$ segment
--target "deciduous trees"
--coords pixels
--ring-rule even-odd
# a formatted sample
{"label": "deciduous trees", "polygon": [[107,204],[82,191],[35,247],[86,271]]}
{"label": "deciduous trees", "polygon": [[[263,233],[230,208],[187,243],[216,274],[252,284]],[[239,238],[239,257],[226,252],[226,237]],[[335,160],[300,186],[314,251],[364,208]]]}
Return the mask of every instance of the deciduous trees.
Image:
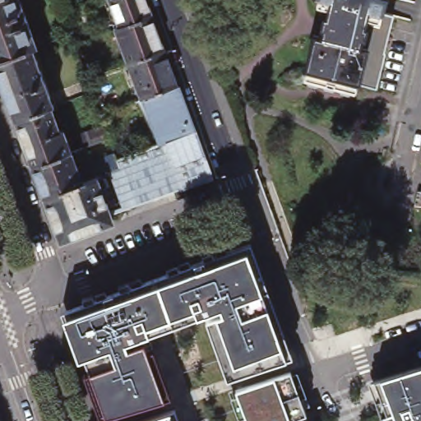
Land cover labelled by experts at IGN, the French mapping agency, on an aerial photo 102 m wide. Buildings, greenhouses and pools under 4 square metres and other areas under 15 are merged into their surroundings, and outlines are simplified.
{"label": "deciduous trees", "polygon": [[276,122],[268,130],[266,140],[285,138],[298,125],[293,120],[293,115],[281,110],[280,117],[276,117]]}
{"label": "deciduous trees", "polygon": [[377,140],[380,132],[350,133],[352,145],[362,146],[370,145]]}
{"label": "deciduous trees", "polygon": [[335,110],[332,107],[322,110],[308,107],[304,118],[311,125],[324,125],[332,120]]}
{"label": "deciduous trees", "polygon": [[44,0],[54,51],[61,59],[64,56],[79,58],[76,39],[72,38],[74,26],[79,26],[86,35],[97,41],[102,33],[109,30],[104,21],[112,16],[109,8],[105,7],[105,0]]}
{"label": "deciduous trees", "polygon": [[81,64],[77,64],[76,77],[77,82],[81,84],[81,90],[102,90],[107,82],[107,76],[100,77],[95,67],[82,69]]}
{"label": "deciduous trees", "polygon": [[245,214],[242,207],[238,206],[237,199],[224,197],[222,201],[212,202],[209,206],[191,210],[186,214],[181,212],[174,217],[176,237],[184,253],[189,257],[222,252],[250,238],[250,230],[247,225],[242,224]]}
{"label": "deciduous trees", "polygon": [[71,367],[59,367],[49,375],[36,370],[28,378],[31,398],[38,405],[41,421],[86,421],[89,419],[89,413],[79,396],[76,373],[72,372]]}
{"label": "deciduous trees", "polygon": [[26,240],[25,227],[18,217],[12,192],[8,189],[0,166],[0,275],[2,266],[8,265],[10,270],[18,273],[35,265],[36,247]]}
{"label": "deciduous trees", "polygon": [[76,109],[79,123],[84,127],[92,122],[95,105],[82,100],[81,97],[74,99],[72,105]]}
{"label": "deciduous trees", "polygon": [[204,421],[225,421],[225,419],[215,418],[214,413],[212,413],[212,409],[209,408],[209,406],[204,405],[204,401],[202,400],[194,400],[194,405],[196,405],[196,408],[199,409],[199,411],[201,411],[201,416],[202,419],[204,419]]}
{"label": "deciduous trees", "polygon": [[306,319],[314,327],[324,326],[327,314],[335,316],[340,311],[352,311],[354,304],[367,294],[390,293],[393,283],[400,283],[408,271],[421,275],[421,243],[409,245],[409,242],[390,234],[385,222],[378,220],[375,210],[363,201],[362,197],[357,197],[354,202],[314,202],[311,219],[301,227],[299,237],[296,240],[293,238],[291,252],[288,253],[286,276],[298,291],[299,306],[303,308]]}
{"label": "deciduous trees", "polygon": [[268,35],[276,38],[280,35],[283,8],[289,10],[291,15],[296,15],[296,0],[178,0],[181,10],[189,15],[183,44],[184,48],[192,56],[206,62],[209,67],[234,67],[237,59],[245,59],[255,49],[265,48]]}

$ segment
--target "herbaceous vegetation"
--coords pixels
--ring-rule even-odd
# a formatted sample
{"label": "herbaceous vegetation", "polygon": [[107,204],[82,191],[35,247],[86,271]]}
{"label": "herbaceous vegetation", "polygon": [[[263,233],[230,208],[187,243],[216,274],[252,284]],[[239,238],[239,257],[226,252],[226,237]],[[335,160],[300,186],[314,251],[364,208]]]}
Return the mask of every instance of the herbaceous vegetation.
{"label": "herbaceous vegetation", "polygon": [[275,183],[293,238],[296,240],[299,237],[301,227],[311,219],[314,202],[354,202],[357,197],[362,197],[363,201],[375,210],[378,220],[385,222],[390,234],[409,242],[408,229],[411,222],[408,215],[409,210],[413,210],[413,202],[409,201],[408,197],[411,181],[406,178],[405,169],[385,166],[380,161],[382,153],[373,151],[347,150],[340,156],[324,138],[298,125],[285,138],[266,140],[268,130],[276,122],[276,117],[280,117],[281,110],[293,115],[304,118],[308,107],[308,97],[288,99],[275,92],[271,102],[270,109],[255,112],[252,133],[266,183]]}
{"label": "herbaceous vegetation", "polygon": [[311,43],[309,35],[294,36],[275,54],[273,81],[276,82],[281,77],[280,71],[283,67],[294,61],[306,61]]}
{"label": "herbaceous vegetation", "polygon": [[335,316],[327,314],[324,326],[331,326],[334,334],[339,335],[360,327],[375,326],[378,321],[386,321],[405,312],[421,312],[421,275],[408,271],[400,283],[393,283],[390,293],[367,294],[354,304],[352,311],[340,311]]}
{"label": "herbaceous vegetation", "polygon": [[204,401],[204,405],[209,406],[209,408],[212,409],[212,413],[214,413],[215,418],[225,419],[225,421],[237,421],[237,406],[230,403],[230,400],[235,398],[235,391],[230,388],[224,393],[215,393],[202,400]]}
{"label": "herbaceous vegetation", "polygon": [[202,372],[194,370],[187,373],[191,378],[192,390],[222,380],[206,326],[196,326],[197,331],[192,339],[192,345],[199,345],[201,359],[209,360],[209,365],[204,367]]}

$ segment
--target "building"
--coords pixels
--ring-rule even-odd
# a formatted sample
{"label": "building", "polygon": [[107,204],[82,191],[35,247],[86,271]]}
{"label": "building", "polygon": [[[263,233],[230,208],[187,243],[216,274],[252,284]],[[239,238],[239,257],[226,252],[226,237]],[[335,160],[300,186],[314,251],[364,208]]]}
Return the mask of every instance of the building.
{"label": "building", "polygon": [[153,421],[171,421],[176,413],[169,411],[164,418]]}
{"label": "building", "polygon": [[308,67],[303,84],[309,87],[316,89],[321,90],[326,97],[355,97],[357,89],[363,87],[362,77],[367,66],[368,54],[360,51],[363,39],[367,35],[365,28],[370,25],[370,18],[380,18],[385,12],[382,3],[378,3],[380,0],[317,0],[317,12],[326,13],[327,18],[322,23],[322,41],[311,43],[306,61]]}
{"label": "building", "polygon": [[298,390],[289,373],[235,391],[235,398],[230,400],[230,403],[237,406],[237,421],[306,421],[303,403],[299,400]]}
{"label": "building", "polygon": [[375,383],[377,400],[373,400],[372,405],[377,409],[377,418],[380,421],[421,421],[421,372],[409,372]]}
{"label": "building", "polygon": [[90,385],[99,401],[102,421],[118,421],[163,406],[160,388],[145,350],[128,354],[128,350],[150,344],[153,340],[171,334],[178,334],[184,329],[196,326],[206,326],[222,380],[232,386],[293,363],[293,355],[283,357],[280,340],[268,309],[263,304],[270,298],[268,288],[258,286],[257,276],[253,273],[252,263],[248,258],[238,258],[225,265],[215,266],[212,270],[206,270],[201,263],[184,270],[178,270],[178,266],[174,266],[166,270],[163,276],[145,281],[136,288],[120,285],[117,293],[109,296],[105,293],[84,294],[74,308],[66,309],[66,319],[62,321],[62,335],[66,339],[76,367],[87,368],[92,375]]}
{"label": "building", "polygon": [[118,23],[115,39],[120,49],[117,53],[125,62],[127,77],[132,77],[128,89],[132,90],[136,102],[140,105],[143,115],[155,136],[156,143],[151,146],[145,155],[118,160],[117,171],[112,173],[113,189],[120,202],[120,207],[115,210],[109,209],[104,197],[97,194],[97,191],[100,191],[99,179],[89,181],[89,178],[82,178],[81,174],[77,173],[76,160],[72,155],[66,133],[59,128],[54,115],[53,100],[36,59],[38,46],[31,35],[30,21],[23,12],[20,0],[0,0],[0,99],[10,132],[21,146],[21,163],[28,169],[31,181],[41,196],[36,206],[39,207],[41,217],[53,234],[58,234],[59,245],[69,240],[79,242],[99,234],[100,229],[110,227],[113,215],[120,214],[122,210],[151,206],[155,202],[163,204],[173,201],[179,191],[186,189],[189,181],[199,178],[199,174],[210,173],[209,163],[197,138],[196,128],[192,125],[191,115],[184,104],[183,94],[179,90],[171,64],[166,61],[166,53],[171,53],[171,49],[176,49],[176,54],[181,58],[181,49],[184,48],[183,44],[179,44],[173,31],[168,28],[168,16],[164,13],[163,3],[155,3],[153,0],[105,0],[105,7],[109,8],[112,16],[113,21]]}

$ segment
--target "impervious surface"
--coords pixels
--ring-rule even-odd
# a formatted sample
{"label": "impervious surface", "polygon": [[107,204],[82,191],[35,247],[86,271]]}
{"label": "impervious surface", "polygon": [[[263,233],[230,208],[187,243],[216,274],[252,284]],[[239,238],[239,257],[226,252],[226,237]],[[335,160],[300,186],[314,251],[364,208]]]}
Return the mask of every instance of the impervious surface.
{"label": "impervious surface", "polygon": [[38,46],[36,59],[53,100],[54,115],[59,128],[66,133],[72,155],[76,160],[77,173],[81,174],[82,178],[89,178],[89,181],[99,179],[100,191],[97,191],[97,194],[104,197],[109,209],[115,210],[120,207],[120,202],[113,189],[112,173],[117,171],[118,160],[117,156],[110,155],[110,146],[105,143],[104,136],[90,136],[84,127],[79,123],[76,109],[72,105],[74,99],[72,94],[77,94],[81,90],[81,84],[77,82],[76,77],[77,64],[81,64],[82,69],[95,67],[100,77],[107,76],[107,82],[102,90],[107,94],[104,99],[105,105],[123,107],[130,102],[136,102],[132,90],[128,89],[132,77],[127,77],[125,62],[117,53],[120,49],[115,39],[118,23],[113,21],[112,16],[104,21],[109,30],[102,33],[97,41],[86,35],[79,26],[74,26],[72,38],[76,39],[79,58],[64,56],[61,59],[54,51],[44,0],[20,0],[23,12],[30,21],[31,35]]}
{"label": "impervious surface", "polygon": [[130,123],[130,133],[145,136],[151,146],[156,143],[155,136],[143,115]]}
{"label": "impervious surface", "polygon": [[[373,400],[377,400],[375,383],[409,372],[421,372],[421,312],[405,312],[386,321],[378,321],[375,326],[360,327],[339,335],[334,334],[331,326],[324,326],[314,327],[306,319],[303,308],[299,306],[298,291],[286,276],[288,253],[291,252],[293,238],[275,183],[266,183],[261,181],[257,169],[253,169],[252,161],[248,160],[234,113],[230,110],[222,87],[217,82],[210,81],[209,67],[206,62],[192,56],[184,48],[181,49],[181,58],[176,54],[176,49],[171,49],[171,53],[166,53],[166,61],[171,64],[179,90],[183,94],[184,104],[191,115],[192,125],[196,128],[197,138],[209,163],[210,173],[199,174],[199,178],[189,181],[186,189],[179,191],[173,201],[163,204],[155,202],[151,206],[122,210],[120,214],[113,215],[110,227],[100,229],[99,234],[79,242],[69,240],[59,245],[58,234],[53,234],[41,217],[39,207],[36,206],[41,196],[31,181],[28,169],[21,163],[21,146],[10,132],[0,99],[0,166],[8,189],[12,192],[18,217],[25,227],[26,240],[36,247],[35,265],[18,273],[10,270],[8,265],[2,266],[0,275],[0,421],[41,421],[38,405],[31,398],[28,378],[36,370],[49,375],[59,367],[71,367],[72,372],[76,373],[79,396],[89,413],[89,419],[86,421],[102,421],[99,401],[90,385],[92,375],[87,368],[76,367],[66,339],[62,335],[62,321],[66,319],[66,309],[74,308],[84,294],[105,293],[109,296],[117,293],[120,285],[136,288],[145,281],[163,276],[166,270],[174,266],[178,266],[178,270],[184,270],[201,263],[206,270],[212,270],[215,266],[225,265],[238,258],[248,258],[252,263],[253,273],[257,276],[258,286],[268,288],[270,298],[263,304],[268,309],[280,340],[283,357],[293,355],[293,363],[232,386],[222,380],[192,390],[191,378],[187,373],[194,370],[202,372],[204,367],[209,365],[209,360],[201,359],[199,345],[192,345],[191,350],[178,350],[171,334],[153,340],[150,344],[128,350],[128,354],[145,350],[160,388],[163,406],[118,421],[153,421],[164,418],[169,411],[176,413],[171,421],[204,421],[204,419],[202,419],[201,416],[201,411],[199,411],[199,409],[196,408],[196,405],[194,405],[194,400],[202,400],[215,393],[224,393],[230,388],[235,391],[289,373],[298,390],[299,400],[303,403],[306,421],[380,421],[377,418],[377,409],[372,405]],[[212,202],[222,201],[224,197],[237,199],[238,206],[242,207],[245,214],[242,224],[247,225],[250,230],[250,238],[222,252],[189,257],[184,253],[176,237],[174,217],[181,212],[186,214],[191,210],[209,206]]]}
{"label": "impervious surface", "polygon": [[168,28],[173,31],[179,44],[183,44],[189,15],[181,10],[178,0],[153,0],[155,3],[163,3],[164,13],[168,16]]}
{"label": "impervious surface", "polygon": [[380,132],[377,140],[370,145],[362,146],[352,145],[350,133],[342,136],[332,135],[332,120],[324,125],[311,125],[304,118],[293,115],[293,120],[298,125],[324,138],[340,156],[347,150],[373,151],[382,153],[380,161],[385,166],[405,169],[406,178],[411,181],[408,197],[409,201],[413,202],[413,210],[409,210],[408,215],[411,222],[408,229],[409,242],[409,245],[421,243],[421,0],[380,0],[378,3],[382,3],[385,12],[380,18],[370,18],[370,25],[365,28],[367,35],[363,39],[360,51],[368,54],[367,66],[362,77],[363,87],[357,89],[355,97],[359,100],[375,97],[385,99],[388,120],[380,127]]}
{"label": "impervious surface", "polygon": [[276,82],[273,81],[275,54],[294,36],[309,35],[311,43],[322,41],[322,23],[327,18],[326,13],[317,12],[317,0],[296,0],[296,15],[291,15],[289,10],[283,8],[280,35],[276,38],[268,35],[265,48],[255,49],[245,59],[237,59],[234,67],[240,72],[240,92],[245,92],[247,87],[257,94],[260,102],[271,102],[275,92],[288,99],[308,97],[316,89],[309,87],[308,90],[283,89],[276,86]]}

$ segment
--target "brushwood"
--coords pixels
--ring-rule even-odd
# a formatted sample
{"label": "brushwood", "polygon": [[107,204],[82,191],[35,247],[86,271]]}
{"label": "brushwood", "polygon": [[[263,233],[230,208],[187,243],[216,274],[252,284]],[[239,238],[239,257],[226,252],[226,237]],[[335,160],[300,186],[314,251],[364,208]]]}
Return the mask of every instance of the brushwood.
{"label": "brushwood", "polygon": [[104,99],[107,94],[102,90],[81,90],[77,94],[72,94],[74,99],[81,97],[82,100],[95,105],[92,122],[84,127],[90,136],[104,136],[105,143],[110,146],[110,155],[117,156],[118,160],[145,155],[151,146],[145,136],[130,133],[130,123],[143,115],[140,105],[136,102],[130,102],[123,107],[105,105]]}
{"label": "brushwood", "polygon": [[240,92],[240,72],[234,67],[209,67],[210,81],[217,82],[222,87],[230,110],[234,113],[248,160],[252,161],[253,169],[257,169],[261,181],[266,183],[252,133],[255,112],[270,109],[271,102],[260,102],[257,94],[247,87],[245,92]]}
{"label": "brushwood", "polygon": [[283,67],[280,71],[281,77],[276,82],[276,86],[283,89],[308,90],[309,87],[303,84],[308,67],[306,61],[294,61]]}
{"label": "brushwood", "polygon": [[342,136],[350,133],[380,132],[380,127],[388,120],[385,99],[375,97],[359,100],[355,97],[326,97],[321,90],[316,89],[308,97],[308,107],[322,110],[332,107],[335,110],[332,120],[332,135]]}
{"label": "brushwood", "polygon": [[196,326],[184,329],[178,334],[171,334],[178,350],[191,350],[192,345],[192,339],[197,331]]}

